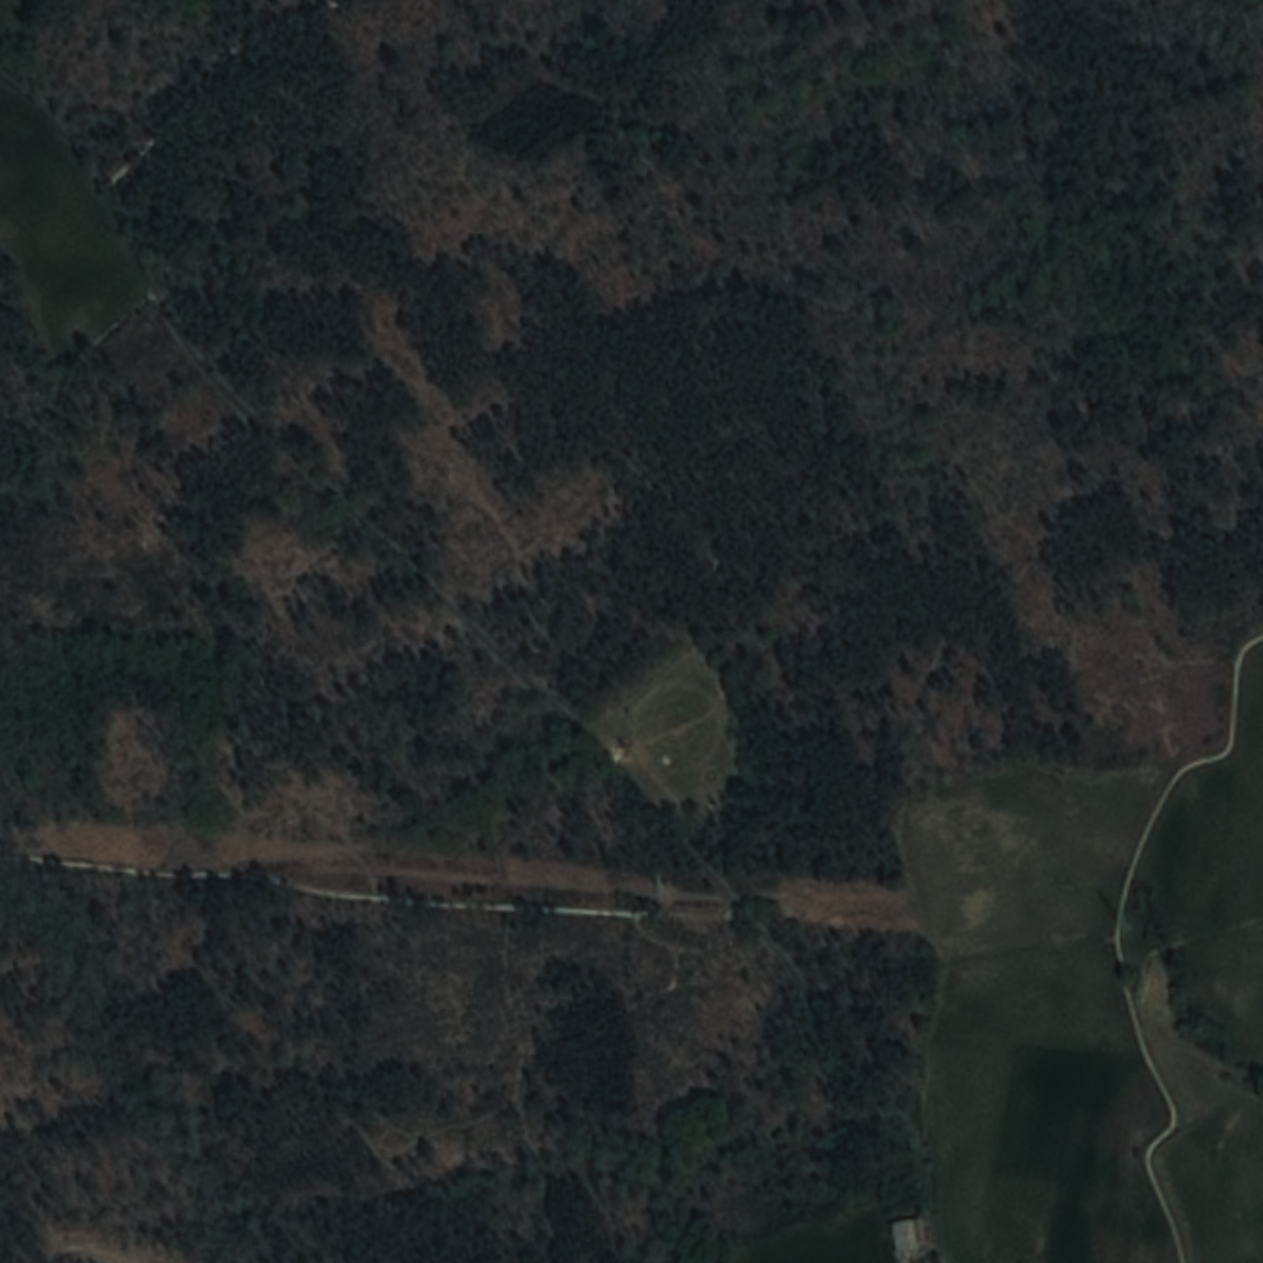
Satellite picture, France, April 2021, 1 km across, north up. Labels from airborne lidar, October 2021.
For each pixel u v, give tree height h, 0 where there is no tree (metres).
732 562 26
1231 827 0
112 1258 0
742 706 18
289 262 30
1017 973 0
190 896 25
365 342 28
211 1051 24
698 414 25
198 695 23
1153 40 13
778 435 27
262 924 25
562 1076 10
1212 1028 9
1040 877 0
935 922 0
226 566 12
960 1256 0
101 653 18
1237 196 30
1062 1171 0
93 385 19
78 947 20
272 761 25
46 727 20
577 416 26
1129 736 7
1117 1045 0
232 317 24
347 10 15
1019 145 13
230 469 0
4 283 21
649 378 27
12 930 17
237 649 31
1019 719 26
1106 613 20
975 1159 0
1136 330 20
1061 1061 0
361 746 15
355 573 15
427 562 20
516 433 28
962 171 23
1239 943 0
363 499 20
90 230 0
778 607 28
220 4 21
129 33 11
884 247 6
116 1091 16
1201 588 28
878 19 26
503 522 0
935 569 27
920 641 24
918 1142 11
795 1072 18
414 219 6
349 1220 19
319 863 0
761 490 24
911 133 25
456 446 0
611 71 27
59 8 16
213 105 18
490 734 12
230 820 14
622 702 11
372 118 7
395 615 24
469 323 27
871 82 23
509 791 22
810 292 28
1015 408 6
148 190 23
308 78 26
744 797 19
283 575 0
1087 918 0
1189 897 0
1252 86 19
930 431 16
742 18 9
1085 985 0
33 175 0
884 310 16
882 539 20
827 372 26
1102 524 27
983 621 24
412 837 16
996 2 16
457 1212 23
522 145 10
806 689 28
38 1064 6
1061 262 27
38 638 16
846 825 21
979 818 0
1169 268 27
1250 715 0
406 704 11
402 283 29
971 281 13
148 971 14
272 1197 15
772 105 24
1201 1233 0
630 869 8
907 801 23
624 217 18
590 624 16
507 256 11
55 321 0
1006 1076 0
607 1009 10
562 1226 8
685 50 0
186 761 20
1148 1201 0
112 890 8
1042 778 0
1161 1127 0
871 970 17
